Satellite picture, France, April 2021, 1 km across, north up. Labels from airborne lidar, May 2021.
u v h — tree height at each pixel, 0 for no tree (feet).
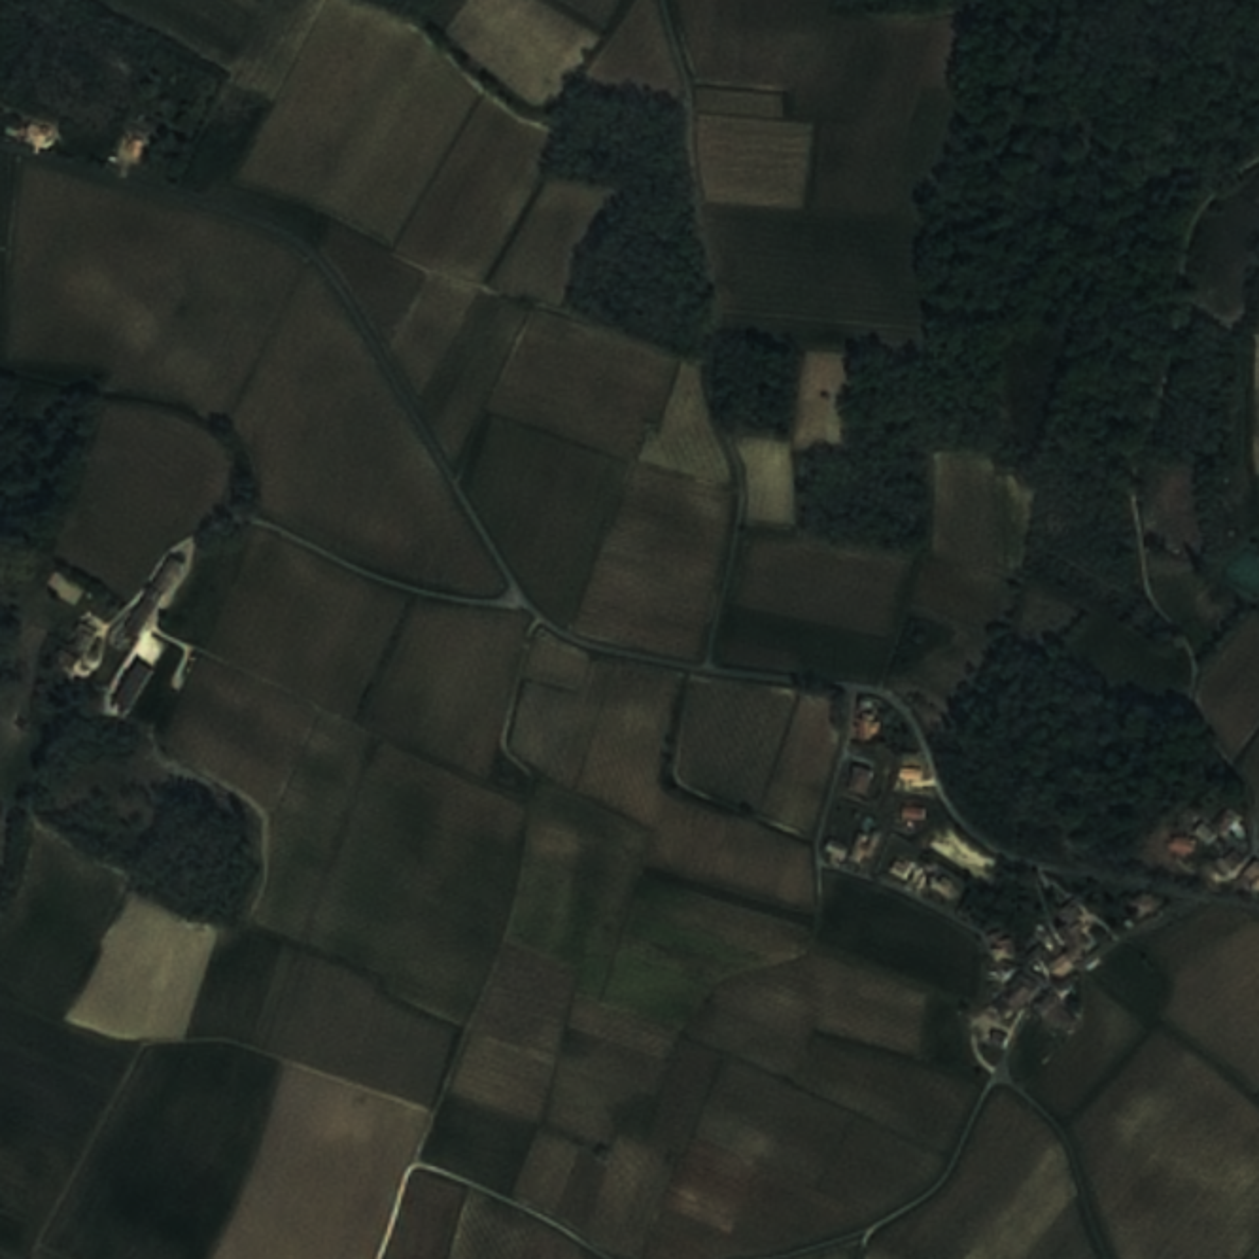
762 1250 0
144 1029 0
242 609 0
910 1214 0
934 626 0
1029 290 70
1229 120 74
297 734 0
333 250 0
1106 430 78
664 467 0
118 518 0
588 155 71
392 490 0
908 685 0
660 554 0
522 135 0
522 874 0
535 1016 0
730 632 0
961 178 51
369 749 0
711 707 0
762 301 0
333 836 0
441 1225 0
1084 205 56
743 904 0
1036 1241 0
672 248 72
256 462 0
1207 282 0
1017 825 35
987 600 0
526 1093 0
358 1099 0
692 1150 0
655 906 0
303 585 0
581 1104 0
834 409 0
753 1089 0
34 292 0
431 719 0
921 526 44
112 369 0
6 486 70
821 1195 0
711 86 0
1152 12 58
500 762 0
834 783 0
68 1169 0
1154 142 76
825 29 0
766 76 0
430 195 0
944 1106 0
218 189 0
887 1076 0
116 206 0
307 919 0
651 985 0
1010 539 0
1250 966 0
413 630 0
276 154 0
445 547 0
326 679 0
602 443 0
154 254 0
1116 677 0
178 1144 0
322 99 0
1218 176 58
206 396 0
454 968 0
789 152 0
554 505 0
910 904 0
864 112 0
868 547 39
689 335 65
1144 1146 0
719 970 0
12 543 111
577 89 60
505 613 0
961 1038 0
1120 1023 0
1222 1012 0
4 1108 0
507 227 0
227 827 41
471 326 0
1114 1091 0
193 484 0
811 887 0
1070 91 62
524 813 0
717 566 0
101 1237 0
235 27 0
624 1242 0
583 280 67
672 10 0
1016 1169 0
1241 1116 0
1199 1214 0
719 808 0
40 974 0
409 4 62
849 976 0
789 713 0
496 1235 0
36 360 0
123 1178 0
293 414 0
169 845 57
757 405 51
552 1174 0
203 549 40
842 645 0
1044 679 74
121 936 0
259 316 0
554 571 0
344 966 0
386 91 0
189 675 0
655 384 0
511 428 0
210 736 0
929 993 0
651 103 57
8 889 47
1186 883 42
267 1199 0
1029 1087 0
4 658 77
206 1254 0
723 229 0
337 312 0
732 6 0
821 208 0
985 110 71
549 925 0
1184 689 0
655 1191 0
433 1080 0
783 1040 0
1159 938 0
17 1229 0
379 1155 0
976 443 52
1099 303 90
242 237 0
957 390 64
